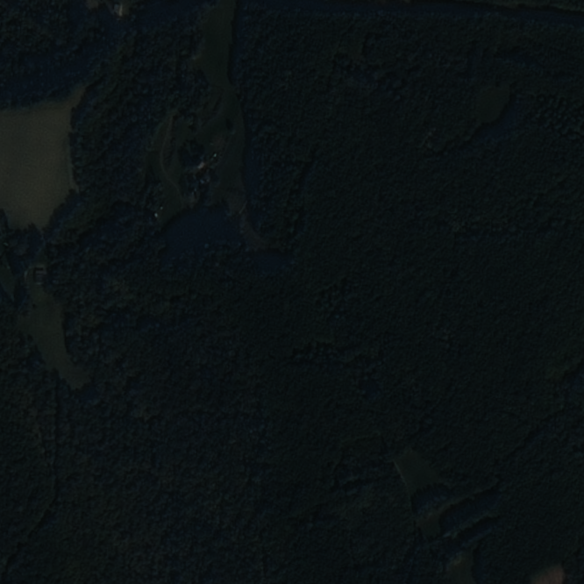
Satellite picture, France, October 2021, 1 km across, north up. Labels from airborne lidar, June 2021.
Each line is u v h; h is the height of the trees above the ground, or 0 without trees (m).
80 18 37
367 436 19
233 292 23
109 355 26
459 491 21
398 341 26
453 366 26
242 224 9
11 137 0
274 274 24
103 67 21
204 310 22
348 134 26
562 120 19
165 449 23
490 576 25
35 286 0
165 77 18
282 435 24
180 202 0
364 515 15
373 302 25
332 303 9
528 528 27
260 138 23
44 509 18
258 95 30
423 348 26
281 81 29
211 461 17
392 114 26
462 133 20
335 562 25
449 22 23
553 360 21
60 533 24
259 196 22
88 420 22
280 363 24
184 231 0
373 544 15
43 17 14
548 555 24
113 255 26
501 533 26
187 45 17
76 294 26
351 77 21
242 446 22
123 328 24
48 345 0
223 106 0
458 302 24
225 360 26
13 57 21
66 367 0
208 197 12
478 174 25
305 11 24
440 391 23
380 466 9
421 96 22
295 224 11
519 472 24
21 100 17
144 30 26
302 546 22
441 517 0
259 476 16
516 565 26
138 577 19
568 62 22
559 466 26
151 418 12
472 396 25
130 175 28
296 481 23
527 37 12
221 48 0
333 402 23
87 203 18
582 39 24
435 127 21
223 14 0
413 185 24
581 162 25
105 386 19
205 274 27
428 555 24
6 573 22
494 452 23
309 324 23
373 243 21
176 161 0
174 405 25
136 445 16
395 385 23
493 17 20
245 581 23
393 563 17
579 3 19
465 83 23
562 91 24
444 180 23
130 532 13
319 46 22
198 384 27
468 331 27
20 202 0
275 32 27
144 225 25
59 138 0
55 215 0
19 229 0
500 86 18
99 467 20
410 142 23
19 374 23
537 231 22
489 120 0
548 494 26
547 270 26
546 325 24
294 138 24
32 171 0
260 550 12
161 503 23
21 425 16
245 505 19
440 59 19
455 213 18
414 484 0
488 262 27
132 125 25
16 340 24
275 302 26
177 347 24
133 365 17
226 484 20
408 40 24
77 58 21
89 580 20
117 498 14
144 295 25
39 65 20
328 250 24
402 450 18
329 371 23
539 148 24
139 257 22
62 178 0
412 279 24
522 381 21
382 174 23
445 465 22
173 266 22
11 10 17
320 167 24
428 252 27
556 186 23
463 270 25
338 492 19
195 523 14
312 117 22
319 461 29
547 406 24
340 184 27
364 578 17
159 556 18
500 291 26
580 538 25
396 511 15
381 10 16
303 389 26
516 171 25
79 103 0
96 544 22
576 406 24
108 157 23
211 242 28
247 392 22
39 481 24
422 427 17
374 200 22
